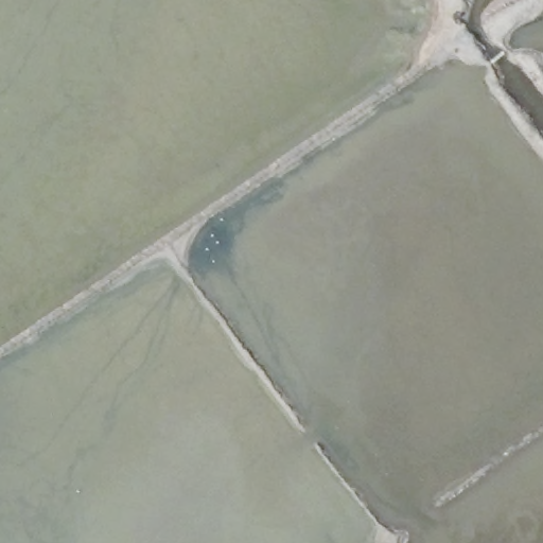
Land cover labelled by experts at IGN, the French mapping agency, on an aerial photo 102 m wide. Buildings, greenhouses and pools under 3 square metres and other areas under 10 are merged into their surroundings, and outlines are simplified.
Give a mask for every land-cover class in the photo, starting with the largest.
<instances>
[{"label":"water","instance_id":"1","mask_svg":"<svg viewBox=\"0 0 543 543\"><path fill-rule=\"evenodd\" d=\"M437 0H0V344L30 327L32 322H36L38 318H42L45 314H49L51 310H55L57 305H62L64 301H68L72 295L81 293L93 280L102 278L106 272L121 265L127 257L140 252L161 235H165L170 229L199 212L206 204L233 189L244 178L252 176L257 170L265 168L272 159L286 153L291 146L299 144L305 136H312L314 132L322 129L329 121L337 119L354 104L365 100L373 89L382 87L388 78H395L401 72L409 70L420 53L424 38L431 32L433 19H437ZM492 0H473L465 28L473 36L479 53L486 59L498 51L481 32V13ZM511 49H518L526 55L543 53V11L532 21L515 25L509 34ZM494 76L503 91L528 117V123L543 138V93L535 87L526 72L520 66L511 64L507 57H503L494 66ZM187 269L197 282L204 297L216 308L227 327L233 331L242 348L263 369L274 388L286 399L288 407L305 426V433L297 435L291 428L286 418L259 386L257 378L238 361L223 333L208 318V314L202 310V305L195 301L191 291L185 286V282L176 276V272L168 265L165 259L155 261L123 286L100 295L93 303H89L83 312L74 314L70 320L62 325H51L45 333H40L36 341L21 346L11 354H0V543H365L371 530L365 518L361 515L358 507L346 496V492L331 479L325 467L314 458L312 445L316 443L335 465V469L344 475V479L365 501L367 509L373 513L380 526H384L388 532L407 530V543H543V437L532 439L520 452H513L509 458H505L503 465L490 469L477 484L469 486L460 496L445 501L441 507H435V494L443 492L450 481L477 471L484 465V458L501 452L511 439L524 437L532 424L543 422V159L524 142L507 112L490 95L486 87L484 68L469 66L460 59H445L441 66L424 70L411 83L395 91L386 102L378 104L375 112L367 117L363 123H358L354 129L329 142L327 146L308 153L293 170L263 182L259 189L244 195L233 206L208 218V223L199 229L193 244L189 246Z\"/></svg>","mask_w":543,"mask_h":543},{"label":"pervious surface","instance_id":"2","mask_svg":"<svg viewBox=\"0 0 543 543\"><path fill-rule=\"evenodd\" d=\"M437 19H433L431 32L424 38L420 53L409 70L401 72L395 78H388L382 87L373 89L365 100L354 104L337 119L329 121L322 129L314 132L312 136H305L299 144L291 146L286 153L272 159L265 168L257 170L252 176L244 178L233 189L206 204L199 212L170 229L165 235H161L140 252L127 257L121 265L106 272L102 278L93 280L81 293L72 295L68 301H64L62 305H57L55 310H51L49 314H45L42 318H38L36 322H32L30 327L0 344V354H11L21 346L36 341L40 333H45L51 325H62L70 320L74 314L83 312L89 303H93L100 295L123 286L155 261L165 259L168 265L176 272V276L185 282V286L191 291L195 301L202 305V310L208 314V318L223 333L238 361L257 378L259 386L286 418L291 428L297 435L305 433V426L288 407L286 399L274 388L263 369L242 348L233 331L227 327L216 308L204 297L197 282L187 269L189 246L193 244L199 229L208 223V218L233 206L244 195L259 189L263 182L293 170L308 153L327 146L329 142L354 129L358 123H363L367 117L375 112L378 104L386 102L395 91L411 83L424 70L441 66L445 59H460L469 66L484 68L486 87L490 95L507 112L524 142L543 159V138L528 123V117L503 91L494 76V66L503 57H507L511 64L520 66L526 72L535 87L543 93V53L526 55L518 49H511L509 34L515 25L532 21L543 11V0H492L481 13V32L498 51L486 59L479 53L473 36L465 28L473 0H437ZM543 437V422L532 424L524 437L511 439L501 452L484 458V465L477 471L450 481L443 492L435 494V507H441L445 501L460 496L469 486L477 484L490 469L503 465L505 458H509L513 452H520L532 439ZM314 458L325 467L331 479L346 492V496L358 507L361 515L365 518L371 530L365 543H407V530L388 532L384 526H380L373 513L367 509L365 501L344 479V475L335 469V465L316 443L312 445Z\"/></svg>","mask_w":543,"mask_h":543}]
</instances>
